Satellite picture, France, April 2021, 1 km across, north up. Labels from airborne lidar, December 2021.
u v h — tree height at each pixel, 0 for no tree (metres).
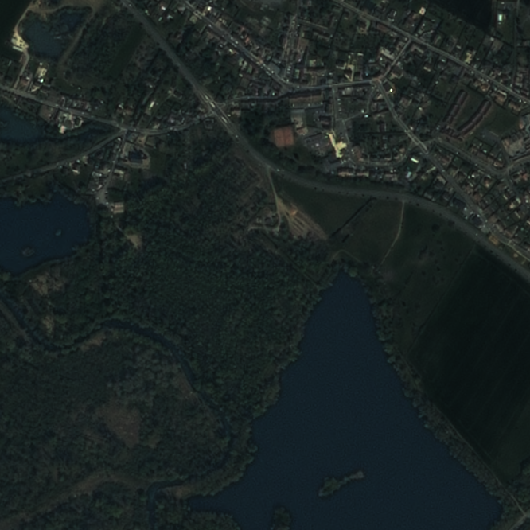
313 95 0
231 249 21
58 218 0
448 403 0
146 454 6
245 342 9
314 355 0
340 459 0
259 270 17
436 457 0
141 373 25
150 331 0
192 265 21
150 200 25
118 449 38
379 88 0
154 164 0
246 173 18
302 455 0
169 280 18
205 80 12
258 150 0
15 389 8
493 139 0
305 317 16
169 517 30
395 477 0
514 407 0
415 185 7
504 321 0
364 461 0
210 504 0
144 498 19
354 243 0
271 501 0
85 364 11
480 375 0
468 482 0
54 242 0
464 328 0
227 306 15
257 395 16
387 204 0
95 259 6
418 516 0
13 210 0
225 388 19
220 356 13
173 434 10
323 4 6
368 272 17
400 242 0
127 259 25
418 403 19
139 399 27
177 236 19
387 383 0
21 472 32
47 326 0
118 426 0
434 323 0
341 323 0
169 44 6
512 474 0
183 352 14
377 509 0
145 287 17
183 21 0
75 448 9
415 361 0
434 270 0
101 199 0
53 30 12
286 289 19
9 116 0
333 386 0
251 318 19
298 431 0
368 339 0
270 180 0
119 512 24
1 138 0
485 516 0
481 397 0
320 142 0
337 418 0
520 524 0
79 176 0
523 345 0
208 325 15
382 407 0
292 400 0
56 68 10
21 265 0
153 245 18
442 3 0
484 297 0
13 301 18
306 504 0
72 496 0
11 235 0
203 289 17
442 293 0
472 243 0
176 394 20
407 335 0
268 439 0
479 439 0
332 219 0
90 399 9
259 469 0
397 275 0
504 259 0
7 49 0
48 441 18
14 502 23
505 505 16
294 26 0
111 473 7
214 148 9
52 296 6
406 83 0
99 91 12
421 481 0
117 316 23
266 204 13
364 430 0
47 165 8
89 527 25
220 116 0
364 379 0
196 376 20
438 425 15
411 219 0
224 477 30
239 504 0
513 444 0
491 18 0
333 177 11
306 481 0
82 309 6
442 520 0
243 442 19
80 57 12
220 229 21
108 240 20
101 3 0
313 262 15
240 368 20
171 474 24
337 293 0
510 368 0
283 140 0
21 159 0
